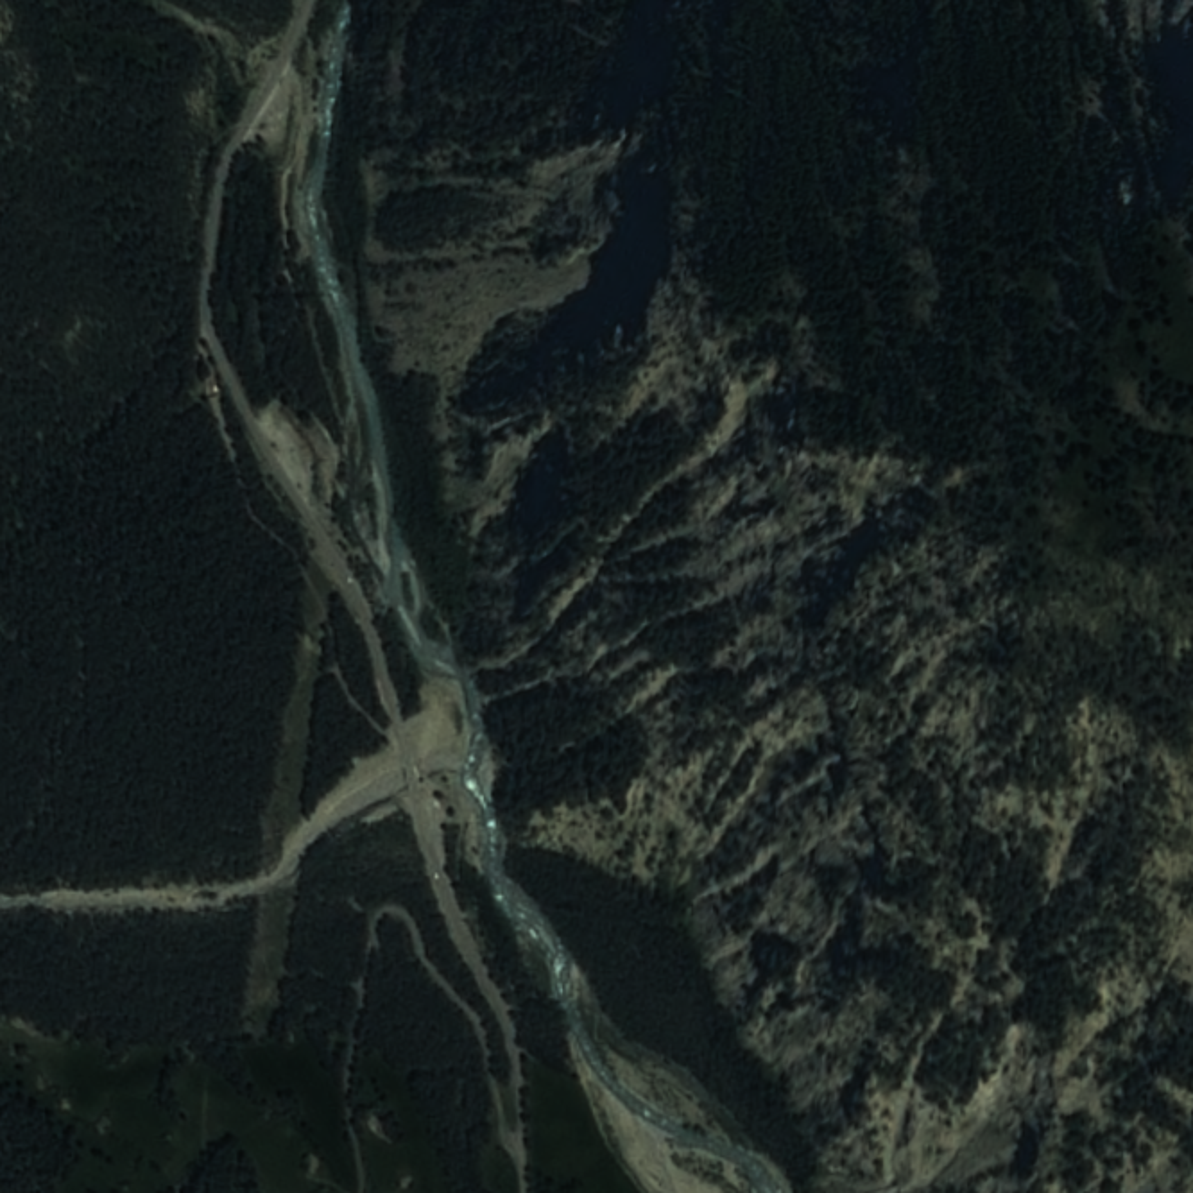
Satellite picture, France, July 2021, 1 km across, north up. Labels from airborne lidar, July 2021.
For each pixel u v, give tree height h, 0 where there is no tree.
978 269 21
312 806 12
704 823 7
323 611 0
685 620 12
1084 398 16
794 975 8
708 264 7
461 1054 10
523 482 10
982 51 21
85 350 9
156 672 14
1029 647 7
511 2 13
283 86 0
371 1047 14
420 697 11
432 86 11
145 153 18
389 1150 0
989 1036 7
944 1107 8
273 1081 0
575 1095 0
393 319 0
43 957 8
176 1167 0
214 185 10
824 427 10
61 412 14
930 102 14
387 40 13
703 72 16
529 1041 12
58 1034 14
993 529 7
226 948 10
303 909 9
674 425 7
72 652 12
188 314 18
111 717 12
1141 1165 8
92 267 10
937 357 14
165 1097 11
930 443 10
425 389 7
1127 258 20
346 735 11
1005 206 17
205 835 9
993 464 11
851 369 15
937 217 12
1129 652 12
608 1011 9
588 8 10
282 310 13
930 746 10
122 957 9
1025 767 10
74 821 13
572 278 0
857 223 6
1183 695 13
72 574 14
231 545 14
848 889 6
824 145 14
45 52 10
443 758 0
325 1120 0
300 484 0
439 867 0
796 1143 11
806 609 11
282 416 0
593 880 10
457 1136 14
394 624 7
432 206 9
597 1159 0
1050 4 20
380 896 9
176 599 12
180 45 13
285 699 12
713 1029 9
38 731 11
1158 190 7
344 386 6
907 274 11
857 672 6
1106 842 7
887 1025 7
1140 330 12
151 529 16
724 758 8
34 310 12
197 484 18
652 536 10
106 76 14
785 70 17
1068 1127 5
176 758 15
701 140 9
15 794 12
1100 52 16
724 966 0
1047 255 15
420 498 8
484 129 17
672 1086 0
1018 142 22
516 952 6
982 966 8
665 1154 0
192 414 16
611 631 7
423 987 13
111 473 13
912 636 6
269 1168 0
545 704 16
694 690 11
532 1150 7
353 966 10
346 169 11
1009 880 14
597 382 10
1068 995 10
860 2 7
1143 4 0
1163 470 15
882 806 8
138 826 10
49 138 6
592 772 15
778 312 9
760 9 17
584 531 9
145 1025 13
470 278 0
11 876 11
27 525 13
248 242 13
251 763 15
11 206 11
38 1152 23
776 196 19
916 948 6
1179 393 7
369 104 13
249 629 13
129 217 18
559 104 9
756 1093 15
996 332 12
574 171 0
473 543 6
